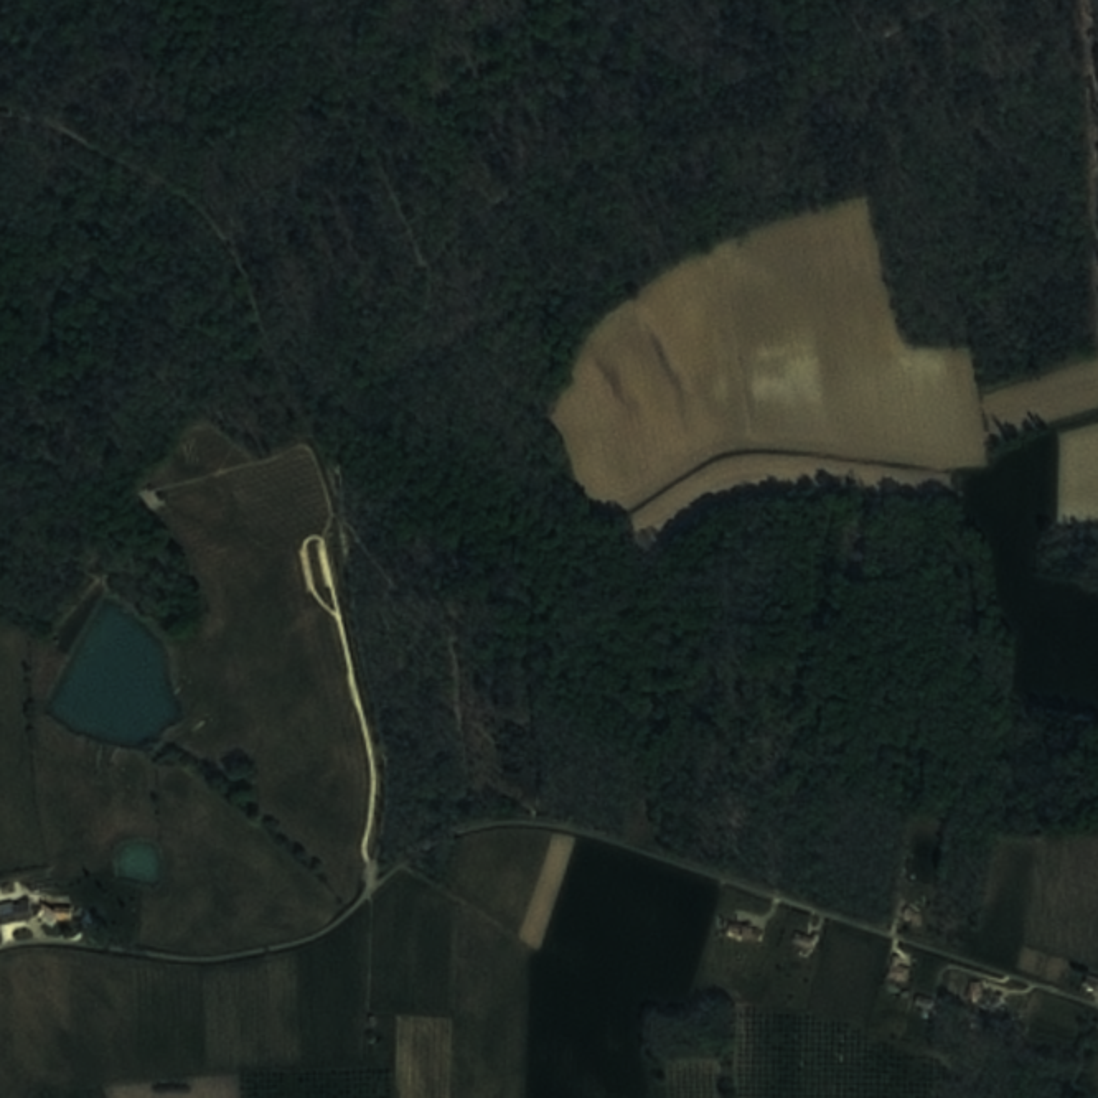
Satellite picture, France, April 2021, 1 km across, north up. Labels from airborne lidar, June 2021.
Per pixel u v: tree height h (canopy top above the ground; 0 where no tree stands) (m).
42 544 17
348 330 13
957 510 22
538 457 13
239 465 0
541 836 0
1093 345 17
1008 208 20
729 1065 18
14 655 0
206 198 13
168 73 21
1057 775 20
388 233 19
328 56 19
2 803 0
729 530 20
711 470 0
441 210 14
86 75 12
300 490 0
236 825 0
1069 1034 0
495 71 13
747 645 23
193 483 0
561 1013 0
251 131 21
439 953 0
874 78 9
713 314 0
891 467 0
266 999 0
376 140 16
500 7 18
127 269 17
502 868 0
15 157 19
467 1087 0
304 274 15
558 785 16
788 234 0
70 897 0
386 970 0
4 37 16
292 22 19
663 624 20
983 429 0
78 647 0
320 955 0
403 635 13
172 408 17
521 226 14
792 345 0
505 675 22
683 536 19
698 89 19
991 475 0
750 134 13
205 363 14
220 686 0
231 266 16
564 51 21
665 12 18
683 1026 23
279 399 14
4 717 0
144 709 0
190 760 11
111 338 22
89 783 0
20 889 0
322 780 0
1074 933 0
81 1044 0
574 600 25
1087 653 0
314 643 0
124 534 23
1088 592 10
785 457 0
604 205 18
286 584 0
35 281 30
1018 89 19
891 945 0
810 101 6
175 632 23
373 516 16
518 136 19
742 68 16
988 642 26
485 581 23
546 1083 0
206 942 0
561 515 26
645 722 19
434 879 17
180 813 0
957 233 22
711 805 22
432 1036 0
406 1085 0
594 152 16
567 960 0
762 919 0
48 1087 0
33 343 24
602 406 0
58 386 19
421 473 23
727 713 18
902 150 15
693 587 23
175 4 20
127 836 0
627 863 0
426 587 14
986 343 9
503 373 10
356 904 0
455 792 20
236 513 0
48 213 22
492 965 0
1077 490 0
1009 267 17
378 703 18
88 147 6
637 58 20
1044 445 0
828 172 13
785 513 24
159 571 23
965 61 16
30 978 0
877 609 21
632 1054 0
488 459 16
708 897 0
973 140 16
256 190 19
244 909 0
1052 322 16
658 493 0
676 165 15
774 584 20
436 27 21
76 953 0
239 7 21
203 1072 0
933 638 22
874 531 25
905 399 0
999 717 23
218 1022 0
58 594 19
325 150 14
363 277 18
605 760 18
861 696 21
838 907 17
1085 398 0
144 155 18
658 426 0
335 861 0
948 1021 21
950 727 23
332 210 21
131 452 17
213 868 0
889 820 19
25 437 21
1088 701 0
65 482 19
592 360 0
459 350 13
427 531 26
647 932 0
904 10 18
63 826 0
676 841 16
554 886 0
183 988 0
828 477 0
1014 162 19
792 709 23
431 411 20
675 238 21
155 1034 0
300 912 0
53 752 0
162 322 21
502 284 20
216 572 0
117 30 14
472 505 24
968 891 15
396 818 15
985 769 17
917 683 21
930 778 20
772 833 20
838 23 20
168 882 0
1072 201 22
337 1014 0
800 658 25
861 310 0
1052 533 17
